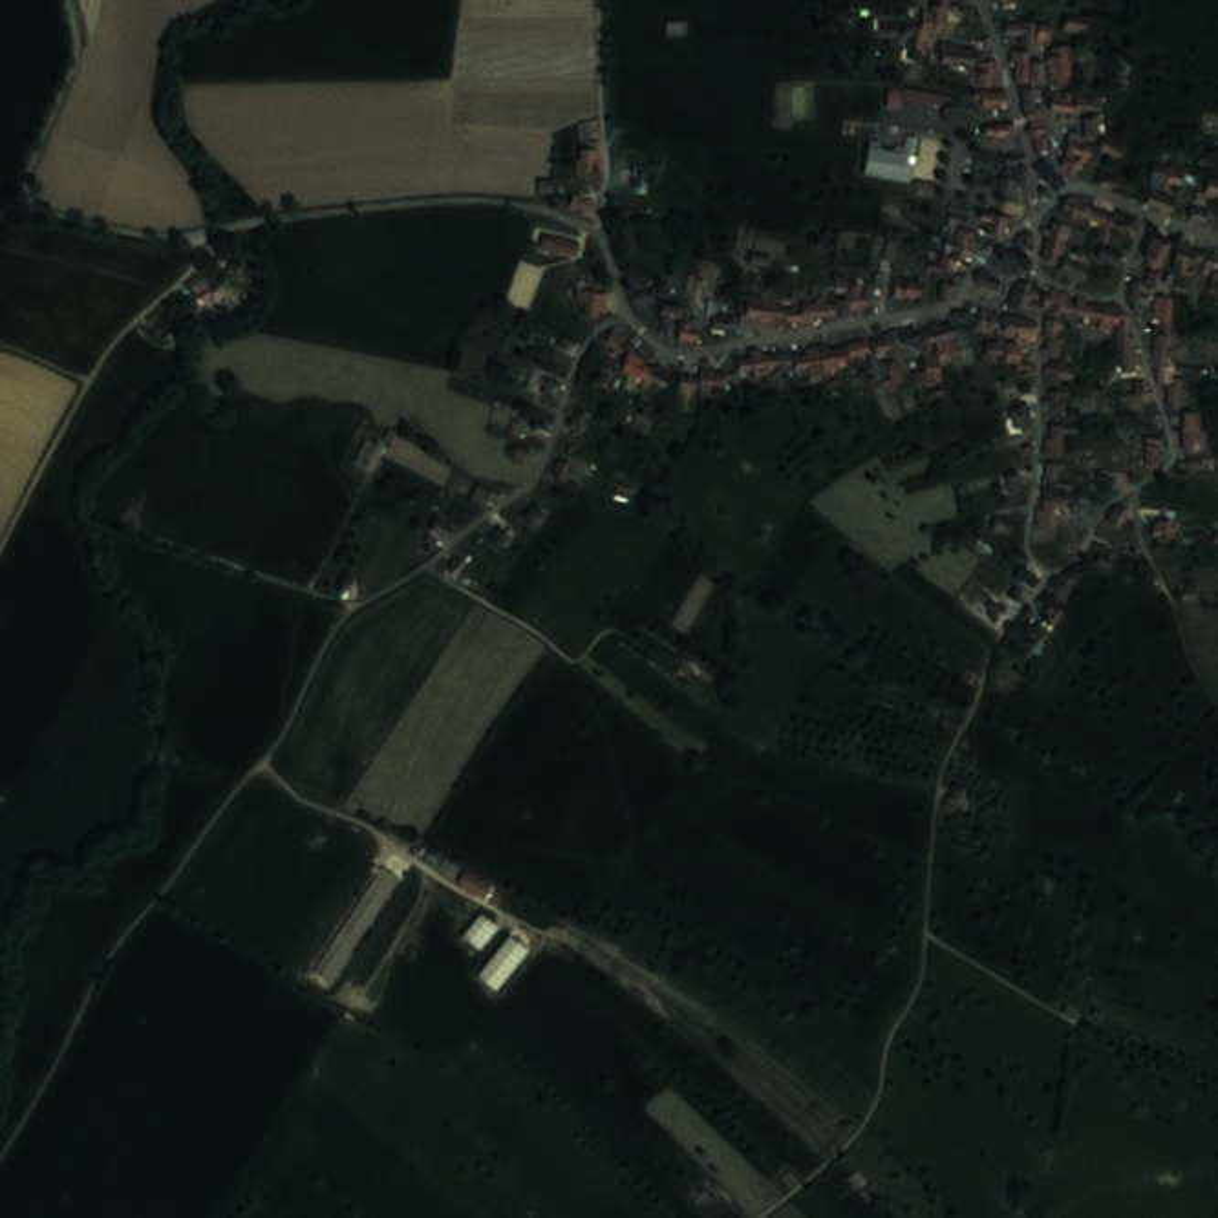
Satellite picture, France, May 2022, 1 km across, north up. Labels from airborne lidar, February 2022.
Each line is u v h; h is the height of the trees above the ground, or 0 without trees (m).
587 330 0
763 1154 0
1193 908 0
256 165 0
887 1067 0
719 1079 0
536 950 0
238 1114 0
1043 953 0
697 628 0
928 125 0
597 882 0
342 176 0
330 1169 0
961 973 0
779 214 0
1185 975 0
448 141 0
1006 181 0
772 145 0
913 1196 0
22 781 0
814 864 0
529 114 0
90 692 0
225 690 0
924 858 0
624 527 0
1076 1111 0
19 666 0
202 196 17
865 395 0
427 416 0
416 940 0
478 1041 0
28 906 19
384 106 0
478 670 0
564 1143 0
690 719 0
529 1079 0
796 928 0
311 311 0
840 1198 0
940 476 11
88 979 0
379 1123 0
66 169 0
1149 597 0
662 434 0
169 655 8
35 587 0
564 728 0
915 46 0
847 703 0
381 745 0
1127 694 0
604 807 0
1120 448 0
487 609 0
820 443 11
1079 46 11
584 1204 0
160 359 0
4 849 0
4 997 21
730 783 0
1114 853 0
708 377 0
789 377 0
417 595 0
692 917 0
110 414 0
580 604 0
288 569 0
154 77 0
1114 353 10
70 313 0
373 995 0
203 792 0
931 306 0
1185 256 0
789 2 6
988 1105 0
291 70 0
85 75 0
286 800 0
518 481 0
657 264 0
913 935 0
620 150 0
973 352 0
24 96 0
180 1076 0
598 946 0
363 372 0
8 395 0
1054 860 8
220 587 0
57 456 0
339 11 0
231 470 0
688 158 0
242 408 0
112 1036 0
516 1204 0
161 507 0
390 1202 0
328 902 0
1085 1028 10
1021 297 0
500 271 0
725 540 0
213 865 0
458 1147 0
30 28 0
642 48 0
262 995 0
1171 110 0
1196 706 0
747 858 0
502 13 0
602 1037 0
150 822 16
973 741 0
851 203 7
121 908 0
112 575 16
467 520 0
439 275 0
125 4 0
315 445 0
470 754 0
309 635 0
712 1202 0
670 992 0
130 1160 0
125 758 0
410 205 0
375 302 0
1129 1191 0
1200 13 0
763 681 0
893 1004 0
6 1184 0
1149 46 0
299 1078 0
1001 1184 0
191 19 12
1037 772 0
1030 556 0
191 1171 0
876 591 14
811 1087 0
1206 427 0
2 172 0
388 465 0
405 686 0
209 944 0
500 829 0
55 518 0
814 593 0
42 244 0
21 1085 0
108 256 0
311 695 0
